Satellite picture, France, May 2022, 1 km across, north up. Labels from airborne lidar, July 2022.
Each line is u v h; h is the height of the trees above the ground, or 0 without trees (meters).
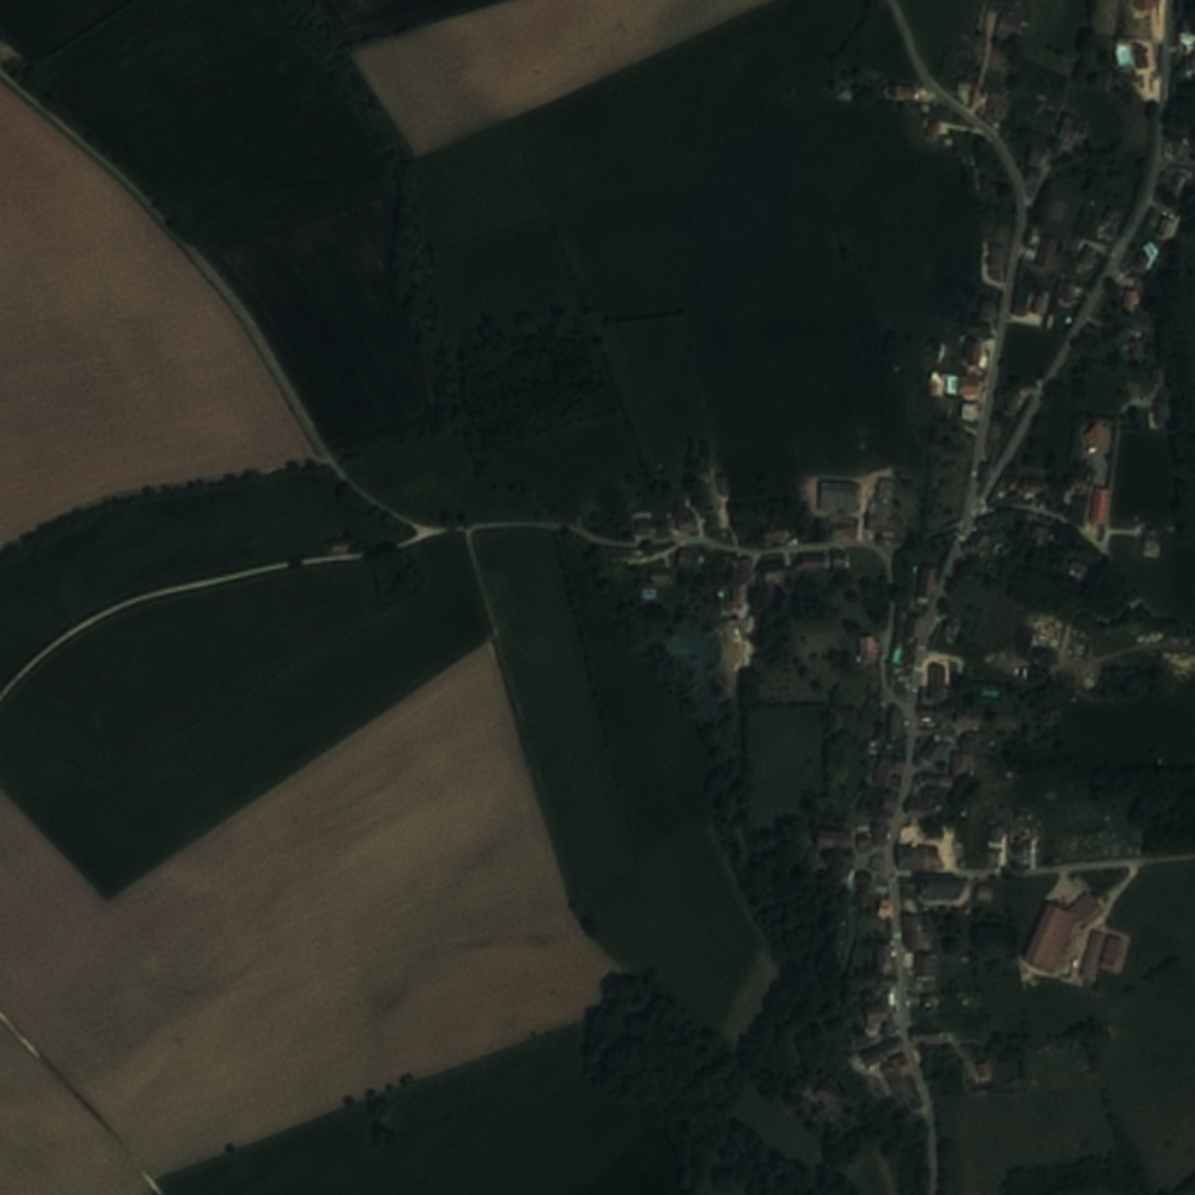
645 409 0
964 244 0
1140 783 15
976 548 0
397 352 0
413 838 0
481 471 8
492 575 0
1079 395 12
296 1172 0
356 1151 0
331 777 0
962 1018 0
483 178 0
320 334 0
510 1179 0
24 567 0
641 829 0
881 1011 0
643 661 8
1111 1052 0
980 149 8
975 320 8
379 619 0
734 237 0
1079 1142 0
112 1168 0
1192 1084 0
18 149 0
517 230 0
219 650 0
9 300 0
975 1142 0
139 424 0
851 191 0
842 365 0
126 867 0
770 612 14
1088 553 6
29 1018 0
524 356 7
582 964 0
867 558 0
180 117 0
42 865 0
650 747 0
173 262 0
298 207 0
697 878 0
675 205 0
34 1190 0
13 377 0
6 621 0
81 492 0
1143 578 0
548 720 0
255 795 0
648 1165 0
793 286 0
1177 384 16
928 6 0
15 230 0
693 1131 14
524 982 0
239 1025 0
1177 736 0
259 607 0
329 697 0
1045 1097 0
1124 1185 8
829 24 0
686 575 6
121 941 0
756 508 10
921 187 0
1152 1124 0
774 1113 0
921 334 0
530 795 0
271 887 0
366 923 0
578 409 8
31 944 0
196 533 0
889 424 0
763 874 16
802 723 0
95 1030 0
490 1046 0
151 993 0
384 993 0
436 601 0
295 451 0
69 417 0
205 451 0
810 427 0
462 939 0
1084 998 0
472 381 8
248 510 0
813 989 21
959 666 0
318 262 0
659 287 0
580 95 0
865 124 0
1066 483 13
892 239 0
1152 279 12
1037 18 0
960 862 0
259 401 0
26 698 0
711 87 0
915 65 0
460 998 0
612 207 0
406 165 18
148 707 0
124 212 0
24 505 0
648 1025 17
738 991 0
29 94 10
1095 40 11
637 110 0
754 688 11
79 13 0
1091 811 0
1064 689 10
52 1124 0
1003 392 6
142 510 0
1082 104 0
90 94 0
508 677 0
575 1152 0
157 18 0
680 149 0
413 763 0
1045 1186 10
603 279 0
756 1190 14
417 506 0
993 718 12
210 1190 0
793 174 0
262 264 0
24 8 0
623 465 0
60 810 0
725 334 0
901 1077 0
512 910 0
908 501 0
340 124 0
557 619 0
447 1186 0
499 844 0
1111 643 0
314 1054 0
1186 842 15
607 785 0
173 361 0
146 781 0
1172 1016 0
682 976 0
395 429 0
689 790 0
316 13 9
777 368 0
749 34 0
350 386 0
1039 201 8
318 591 0
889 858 0
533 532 0
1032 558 11
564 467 0
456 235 0
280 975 0
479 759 0
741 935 0
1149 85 0
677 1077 18
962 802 7
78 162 0
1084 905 0
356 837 0
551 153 0
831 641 0
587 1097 0
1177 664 0
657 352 0
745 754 7
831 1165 20
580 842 0
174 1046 0
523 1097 0
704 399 0
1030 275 5
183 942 0
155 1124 0
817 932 21
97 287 0
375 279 0
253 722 0
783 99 0
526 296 0
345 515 0
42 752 0
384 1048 0
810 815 13
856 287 0
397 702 0
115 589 0
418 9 0
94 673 0
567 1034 0
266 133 0
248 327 0
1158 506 0
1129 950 0
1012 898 0
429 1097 0
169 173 0
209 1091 0
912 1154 6
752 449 0
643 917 0
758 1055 17
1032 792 0
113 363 0
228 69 0
